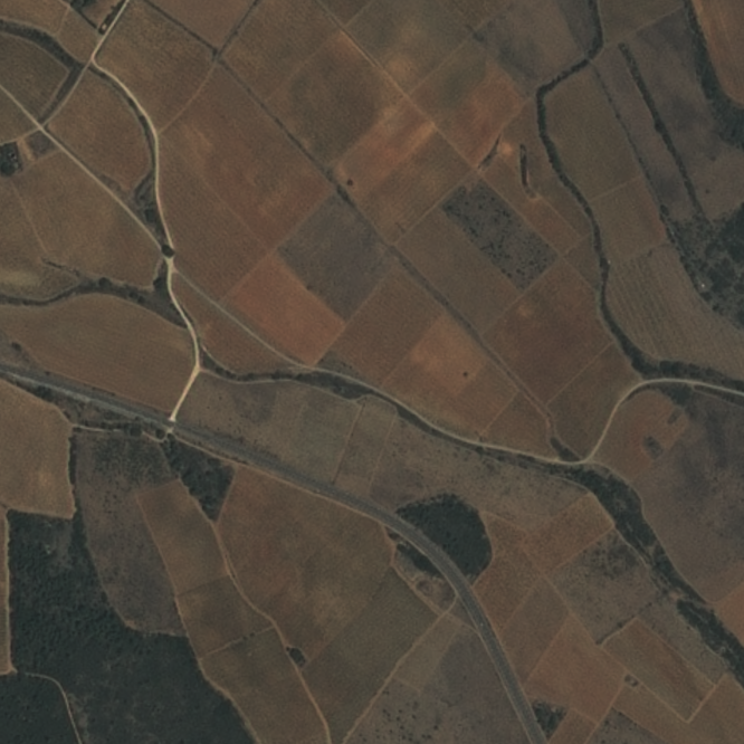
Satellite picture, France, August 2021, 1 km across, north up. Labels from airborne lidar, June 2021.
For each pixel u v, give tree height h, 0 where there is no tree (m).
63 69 0
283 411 0
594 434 0
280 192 0
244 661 0
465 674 0
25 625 7
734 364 0
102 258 0
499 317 0
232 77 0
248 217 0
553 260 0
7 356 0
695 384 0
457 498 9
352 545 0
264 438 0
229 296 0
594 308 0
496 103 0
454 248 0
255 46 0
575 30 0
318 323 0
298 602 0
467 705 0
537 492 0
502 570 0
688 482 0
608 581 0
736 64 0
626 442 0
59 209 0
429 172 0
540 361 0
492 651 0
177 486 0
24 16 0
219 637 0
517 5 0
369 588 0
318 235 0
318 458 0
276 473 0
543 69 0
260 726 0
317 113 0
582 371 0
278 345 0
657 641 0
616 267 0
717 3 0
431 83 0
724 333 0
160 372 0
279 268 0
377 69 0
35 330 0
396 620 0
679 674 0
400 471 0
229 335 0
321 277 0
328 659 0
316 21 0
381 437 0
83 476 0
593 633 0
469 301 0
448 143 0
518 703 0
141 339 0
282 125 0
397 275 0
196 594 0
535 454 0
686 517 0
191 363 0
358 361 0
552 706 0
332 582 0
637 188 0
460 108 0
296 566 0
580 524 0
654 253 0
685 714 0
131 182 0
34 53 0
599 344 0
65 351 0
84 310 0
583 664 0
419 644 0
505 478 0
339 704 0
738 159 0
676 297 0
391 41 0
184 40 0
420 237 0
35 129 0
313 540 0
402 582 0
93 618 11
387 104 0
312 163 0
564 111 0
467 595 0
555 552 0
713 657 0
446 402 0
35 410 0
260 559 0
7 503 0
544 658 0
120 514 0
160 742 0
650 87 0
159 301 0
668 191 0
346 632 0
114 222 0
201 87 0
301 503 0
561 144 0
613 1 0
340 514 0
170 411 0
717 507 0
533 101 0
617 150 0
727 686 0
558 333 0
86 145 0
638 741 0
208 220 0
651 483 0
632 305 0
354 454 0
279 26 0
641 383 0
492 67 0
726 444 0
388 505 0
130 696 0
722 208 0
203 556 0
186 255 0
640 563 0
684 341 0
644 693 0
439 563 0
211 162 0
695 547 0
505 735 0
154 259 0
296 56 0
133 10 0
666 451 0
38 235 0
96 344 0
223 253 0
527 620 0
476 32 0
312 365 0
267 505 0
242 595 0
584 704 0
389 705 0
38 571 8
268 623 0
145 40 0
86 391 0
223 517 0
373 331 0
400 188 0
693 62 0
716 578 0
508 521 0
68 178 0
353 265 0
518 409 0
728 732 0
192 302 0
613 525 0
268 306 0
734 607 0
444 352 0
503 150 0
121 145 0
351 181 0
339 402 0
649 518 0
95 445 0
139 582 0
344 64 0
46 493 0
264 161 0
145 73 0
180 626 0
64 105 0
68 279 0
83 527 5
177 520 0
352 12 0
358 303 0
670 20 0
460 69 0
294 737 0
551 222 0
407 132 0
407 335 0
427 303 0
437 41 0
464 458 0
